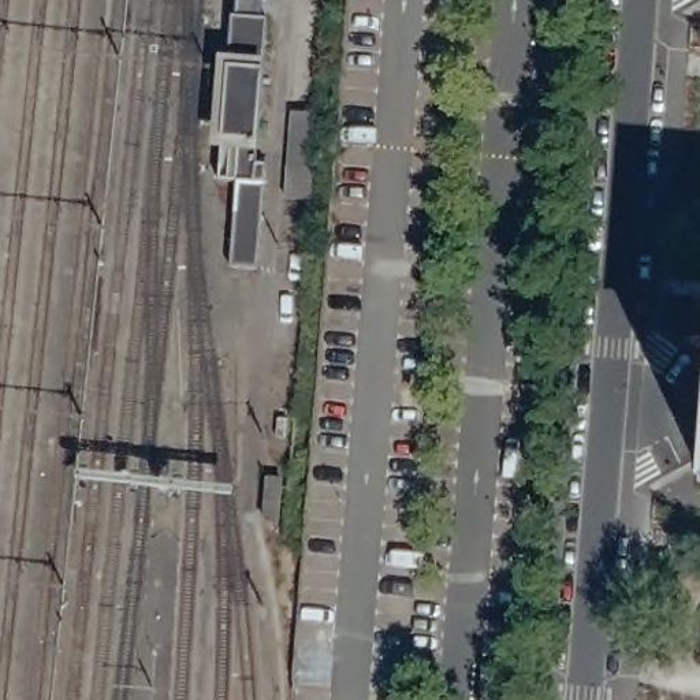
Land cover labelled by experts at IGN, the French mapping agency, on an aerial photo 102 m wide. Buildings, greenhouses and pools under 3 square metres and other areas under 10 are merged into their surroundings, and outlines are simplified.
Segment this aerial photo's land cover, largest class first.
<instances>
[{"label":"impervious surface","instance_id":"1","mask_svg":"<svg viewBox=\"0 0 700 700\"><path fill-rule=\"evenodd\" d=\"M263 11H268L276 25V46L273 52L260 49L257 52L265 60L257 71L252 115V134L260 137V145L249 156V161L252 178H265V186H254L260 191L254 260L230 263V273H224L221 282H213L208 287L227 440L235 465V473L227 484H232L238 495L235 509L241 517L243 558L252 577L260 580L265 571L273 569L265 536L279 528V525L273 520H263L257 511L265 503V479L276 476L273 462L282 457L287 446V418L298 388L301 325L295 323L293 295L295 282L301 276L298 257L290 243V224L301 221V216L306 213L304 200H298L290 191L284 178L290 159L287 129L293 123V112H306L314 101V90L309 88V38L314 0H263ZM566 0H511L509 8L500 5L498 41L479 60L484 63L481 74L489 77V82H498L500 90H492L487 96L492 112L484 120L487 153L479 183L481 194L487 200H495L500 208L498 221L487 230V279L470 295L473 312L479 317V339L470 347H454L459 386L468 394V410L462 418V432L438 429V443L448 448L451 468H446L443 481H432L418 473V451H410V446L405 443L394 448V440L407 438L410 424L418 421L421 407L413 391L424 388V375L413 369V364L427 361L421 339H416V320L427 317L429 301L413 295L416 279H421L424 273L413 263L416 252L424 249V241L429 238L432 221L427 211H418V191L438 180L443 172L440 167H432V150L438 145L435 137L457 126L454 115L438 109V104H429L432 88L424 82V77H429L435 55H443L451 41L443 33L427 30V14L440 11V0H347L342 30L345 63L339 79V107L345 109L347 129L339 131L345 153L331 167L328 202V227H334L339 246H331L328 254L325 287L320 290V298L331 306L320 314L312 432L309 459V465H314V473L309 476L306 487V517L301 544L304 555V610L295 632V664L284 659L287 700H388L391 675L396 664H405L410 659H424L429 670L443 673L448 684H462L457 689L462 700H479L484 697V667L495 656L492 645L498 637L511 632L506 610L517 599L511 574L517 566L520 544L514 541V536L520 514L525 509V498L533 489V484L511 481L520 465L517 451L525 448L530 435L528 413L533 410V380L522 377V372H514L520 355H514V350L509 347V328L517 317H522L525 298L517 290H511L514 268L500 265V257L511 252V246H533L541 232L536 227H522L528 211L533 208L536 178L530 170H525L522 153L536 142L541 123H547L555 115V109L541 107V98L552 93V74L561 68V63L550 52V46H544V38L536 30V16L541 8L558 11ZM424 492H429L432 498L451 500L454 520L459 522L462 533L457 547L438 544L435 552H427L421 558L418 552H410L413 547L405 541L402 528L410 525V503ZM418 561L438 566L443 574V580L432 582L429 591L418 588L407 574H402V569H416ZM623 8V36L621 52L615 55V66H621L623 71L626 93L618 112L607 109V115L596 118L593 123V131L602 134V145H610L602 153V172L593 183V213H607V243L591 241L593 252L604 249V279L599 309L585 312L588 361L580 366H566V383L580 386V391H585V402L577 410V427L571 429V457H585V470L571 476V498L577 503V517H569L563 528H555L563 536V544L555 550V558L566 561L569 566V574L563 580L566 585L561 588V602L569 604V618L574 621L571 656L561 654V662L552 667L561 700H640V684H654L656 689H673L681 695L700 697V664L675 662L673 667L662 670L654 662L634 667L626 656L615 659L613 651L604 648L607 632L596 621L599 615L613 613L604 599L610 580L640 574L651 566L659 550H667L678 541L675 536L664 533L659 509L670 511L675 503L692 506L695 500L700 506V131H686L681 126L686 98L692 96L686 93V82L692 74L700 77V0H613V8Z\"/></svg>","mask_w":700,"mask_h":700},{"label":"pervious surface","instance_id":"2","mask_svg":"<svg viewBox=\"0 0 700 700\"><path fill-rule=\"evenodd\" d=\"M235 0H0V700H287L284 659L287 623L293 610V574L284 571V582L276 588L273 569L265 571L260 580L252 577L243 558L241 517L235 509L238 495L232 484H227L235 473V465L227 440L208 287L213 282H221L224 273H230V263L227 257L232 230V183L216 180L219 148L211 142V137L200 131V120L211 118L216 55L257 52L260 49L257 44L227 41Z\"/></svg>","mask_w":700,"mask_h":700},{"label":"deciduous trees","instance_id":"3","mask_svg":"<svg viewBox=\"0 0 700 700\"><path fill-rule=\"evenodd\" d=\"M347 0H314L309 38V88L314 90V101L306 112L309 131L304 139V159L312 175V194L304 200L306 213L301 216V221L290 224V243L298 257L328 254L331 246H339L334 227H328V202L331 167L345 153L339 131L347 129L345 109L339 107V79L345 63L342 30ZM511 0H440V11L427 14V30L443 33L451 41L443 55H435L429 77H424V82L432 88L429 104H438V109L454 115L457 126L435 137L438 145L432 150V167H440L443 172L438 180L418 191V211H427L432 221L429 238L424 241V249L416 252L413 263L424 273L421 279H416L413 295L429 301L427 317L416 320V339H421L427 361L413 364V369L424 375V388L413 391L421 407L418 421L410 424L407 438L394 440V448L405 443L410 446V451H418V473L432 481H443L446 468H451L448 448L438 443V429L462 432V418L468 410V394L459 386L454 347H470L479 339V317L473 312L470 295L487 279V230L498 221L500 208L495 200H487L481 194L479 183L487 153L484 120L492 112L487 96L492 90H500L498 82H489V77L481 74L484 63L479 60L498 41L500 5L509 8ZM536 30L544 38V46H550V52L561 63V68L552 74V93L541 98V107L555 109V115L547 123H541L536 142L522 153L525 170H530L536 178L533 208L528 211L522 227H536L541 232L533 246H511V252L500 257V265L514 268L511 290H517L525 298L522 317H517L509 328V347L514 350V355H520L514 372H522V377L533 380V410L528 413L530 435L525 448L517 451L520 465L511 481L533 484V489L525 498V509L520 514L514 536V541L520 544L517 566L511 574L517 599L506 610L511 632L498 637L492 645L495 656L484 667V697L479 700H561L552 667L561 662V654L571 656L574 621L569 618V604L561 602V588L566 585L563 580L569 574V566L566 561L555 558V550L563 544V536L555 528H563L569 517H577V503L571 498V476L585 470V457H571V429L577 427V410L585 402V391H580V386L566 383V366H580L588 361L585 312L599 309L604 279V249L593 252L591 241L607 243V213H593V183L602 172V153L610 145H602V134L593 131V123L596 118L607 115V109L618 112L626 93L623 71L621 66H615V55L621 52L623 36V8H613V0H566L558 11L541 8L536 16ZM405 541L413 547L410 552H418L421 558L427 552H435L438 544L457 547L462 533L459 522L454 520L451 500L432 498L429 492H424L410 503V525L402 528ZM604 599L613 613L599 615L596 621L607 632L604 648L613 651L615 659L626 656L634 667L654 662L662 670L673 667L675 662L700 664V533H686L678 541L667 550H659L651 566L640 574L610 580ZM402 574H407L418 588L429 591L432 582L443 580V574L438 566L418 561L416 569H402ZM462 684H448L443 673L429 670L424 659H410L405 664H396L391 675L388 700H462L457 689Z\"/></svg>","mask_w":700,"mask_h":700},{"label":"building","instance_id":"4","mask_svg":"<svg viewBox=\"0 0 700 700\"><path fill-rule=\"evenodd\" d=\"M227 41L257 44L260 49L273 52L276 46V25L268 11H263V0H235ZM265 60L257 52L216 55L211 118L200 120V131L211 137V142L219 148L216 180L232 183V230L227 257L230 263L254 260L260 191L254 186H265V178H252L249 161V156L260 145V137L252 134V115L257 71ZM309 131L306 112H293V123L287 129L290 159L284 178L290 191L298 200H304L312 194V175L304 159V139ZM282 484V479L276 476L265 479V503L257 511L263 520H273L279 525Z\"/></svg>","mask_w":700,"mask_h":700},{"label":"brushwood","instance_id":"5","mask_svg":"<svg viewBox=\"0 0 700 700\"><path fill-rule=\"evenodd\" d=\"M301 276L295 282L293 295L295 323L301 325L298 388L287 418H295L298 427L312 432L320 314L331 306L320 298V290L325 287L328 254L298 257ZM314 473V465H309V459H290L287 484H282L279 525V528L276 544L287 547L293 552V561L304 555L301 544L306 517V487L309 476Z\"/></svg>","mask_w":700,"mask_h":700},{"label":"herbaceous vegetation","instance_id":"6","mask_svg":"<svg viewBox=\"0 0 700 700\"><path fill-rule=\"evenodd\" d=\"M686 93L692 96L686 98L681 126L686 131H700V77L692 74L686 82ZM312 432L298 427L295 418H287V446L282 457L273 462L276 476L282 479V484H287L290 459H309ZM664 533L675 536L678 541L686 533H700V506L695 500L692 506L675 503L670 511L659 509ZM279 528L265 536L273 569L276 588L284 582V571L293 574V610L287 623L284 659L295 664V632L304 610V555L293 561V552L287 547L276 544ZM640 700H700V697L681 695L673 689H656L654 684H640Z\"/></svg>","mask_w":700,"mask_h":700}]
</instances>
